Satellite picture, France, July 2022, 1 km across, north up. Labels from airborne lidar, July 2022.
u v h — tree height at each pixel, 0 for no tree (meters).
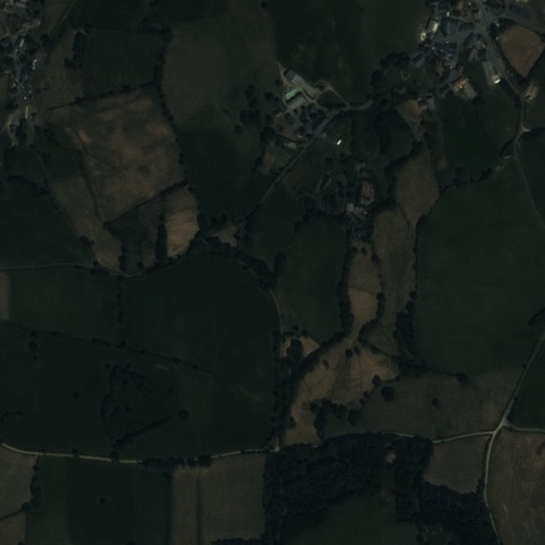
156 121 0
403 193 0
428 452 19
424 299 0
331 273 0
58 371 0
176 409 0
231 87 0
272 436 9
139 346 0
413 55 0
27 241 0
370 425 0
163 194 12
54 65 0
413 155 16
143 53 0
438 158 0
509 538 0
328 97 0
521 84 18
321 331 0
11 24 0
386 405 0
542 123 0
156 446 0
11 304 0
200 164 0
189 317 0
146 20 6
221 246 21
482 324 0
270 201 0
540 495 0
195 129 0
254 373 0
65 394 0
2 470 0
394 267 0
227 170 0
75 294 0
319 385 0
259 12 0
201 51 0
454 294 0
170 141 0
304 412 0
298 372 23
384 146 15
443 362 0
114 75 0
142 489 0
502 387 0
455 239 0
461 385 6
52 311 0
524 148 0
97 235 0
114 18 0
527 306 0
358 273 0
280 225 0
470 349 0
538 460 0
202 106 0
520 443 0
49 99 0
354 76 0
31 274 0
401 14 0
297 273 0
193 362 0
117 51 0
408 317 9
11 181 13
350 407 0
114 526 0
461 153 0
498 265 0
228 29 0
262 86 0
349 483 23
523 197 0
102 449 0
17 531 0
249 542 8
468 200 0
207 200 0
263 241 0
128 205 0
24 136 21
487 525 17
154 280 0
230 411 0
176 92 0
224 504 0
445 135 0
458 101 0
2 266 0
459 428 0
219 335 0
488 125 0
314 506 19
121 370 12
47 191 12
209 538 0
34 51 11
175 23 0
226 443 0
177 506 0
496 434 0
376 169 0
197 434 0
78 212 0
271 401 0
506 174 0
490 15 0
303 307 0
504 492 0
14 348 0
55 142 7
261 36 0
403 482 11
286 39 0
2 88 0
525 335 0
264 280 15
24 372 0
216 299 0
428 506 26
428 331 0
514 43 0
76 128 0
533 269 0
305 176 0
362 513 0
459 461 0
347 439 18
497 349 0
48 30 0
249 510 0
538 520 0
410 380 0
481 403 0
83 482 0
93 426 0
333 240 0
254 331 0
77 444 0
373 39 0
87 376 0
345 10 0
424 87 0
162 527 0
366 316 0
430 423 0
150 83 7
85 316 0
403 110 0
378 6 0
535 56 0
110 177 0
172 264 11
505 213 0
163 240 14
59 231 0
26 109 0
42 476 0
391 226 0
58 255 0
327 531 0
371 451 26
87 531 0
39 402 0
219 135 0
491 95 0
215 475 0
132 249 0
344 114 10
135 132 0
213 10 0
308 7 0
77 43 9
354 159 10
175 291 0
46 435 0
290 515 9
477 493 10
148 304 0
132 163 0
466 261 0
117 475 0
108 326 0
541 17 0
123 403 0
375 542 0
